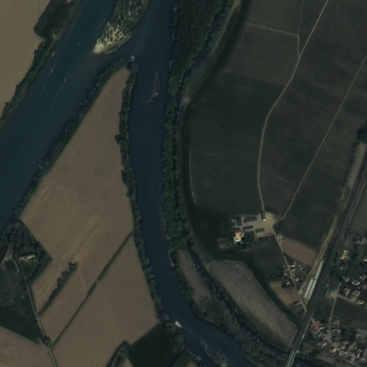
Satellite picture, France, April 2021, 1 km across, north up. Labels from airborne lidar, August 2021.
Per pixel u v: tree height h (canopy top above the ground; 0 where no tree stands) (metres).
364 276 0
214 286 20
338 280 6
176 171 14
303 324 0
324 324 9
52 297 6
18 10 0
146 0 25
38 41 0
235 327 26
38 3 0
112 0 0
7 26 0
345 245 0
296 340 0
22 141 0
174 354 0
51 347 33
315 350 7
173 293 0
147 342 8
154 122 0
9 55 0
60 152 18
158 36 0
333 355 0
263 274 0
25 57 0
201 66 8
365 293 7
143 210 0
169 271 0
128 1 9
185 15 26
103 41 6
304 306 0
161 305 12
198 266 11
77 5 0
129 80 11
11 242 22
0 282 9
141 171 0
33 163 0
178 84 12
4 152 0
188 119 0
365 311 0
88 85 0
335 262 9
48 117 0
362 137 26
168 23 0
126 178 28
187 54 28
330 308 0
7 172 0
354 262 18
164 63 0
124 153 12
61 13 28
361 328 0
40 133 0
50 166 15
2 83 0
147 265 10
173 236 14
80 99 0
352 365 0
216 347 0
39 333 11
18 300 6
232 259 0
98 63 0
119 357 0
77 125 13
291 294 0
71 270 15
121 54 0
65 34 0
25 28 0
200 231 0
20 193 0
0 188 0
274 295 0
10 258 0
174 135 14
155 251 0
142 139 0
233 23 0
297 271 0
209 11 32
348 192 0
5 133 0
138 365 0
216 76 0
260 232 0
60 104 0
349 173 13
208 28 28
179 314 0
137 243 16
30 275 17
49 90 0
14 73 0
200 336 0
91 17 0
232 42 0
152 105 0
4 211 0
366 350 0
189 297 16
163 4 0
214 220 0
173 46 9
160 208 0
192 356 12
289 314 0
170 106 26
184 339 13
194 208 0
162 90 0
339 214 16
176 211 14
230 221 0
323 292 0
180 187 12
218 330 0
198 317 25
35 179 13
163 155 11
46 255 18
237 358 0
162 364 0
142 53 0
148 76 0
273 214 0
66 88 0
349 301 0
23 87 16
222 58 0
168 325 20
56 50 0
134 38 0
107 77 11
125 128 20
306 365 11
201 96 0
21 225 22
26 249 26
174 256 17
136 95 0
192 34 30
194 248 17
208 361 0
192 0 28
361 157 0
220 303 26
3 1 0
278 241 0
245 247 11
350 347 0
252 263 0
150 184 0
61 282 17
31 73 12
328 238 0
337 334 15
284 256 8
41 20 0
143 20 0
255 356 35
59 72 0
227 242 0
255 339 29
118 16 8
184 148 0
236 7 0
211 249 0
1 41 0
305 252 0
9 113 18
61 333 0
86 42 0
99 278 0
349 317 0
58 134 0
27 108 0
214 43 13
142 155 0
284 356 14
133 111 0
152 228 0
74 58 0
